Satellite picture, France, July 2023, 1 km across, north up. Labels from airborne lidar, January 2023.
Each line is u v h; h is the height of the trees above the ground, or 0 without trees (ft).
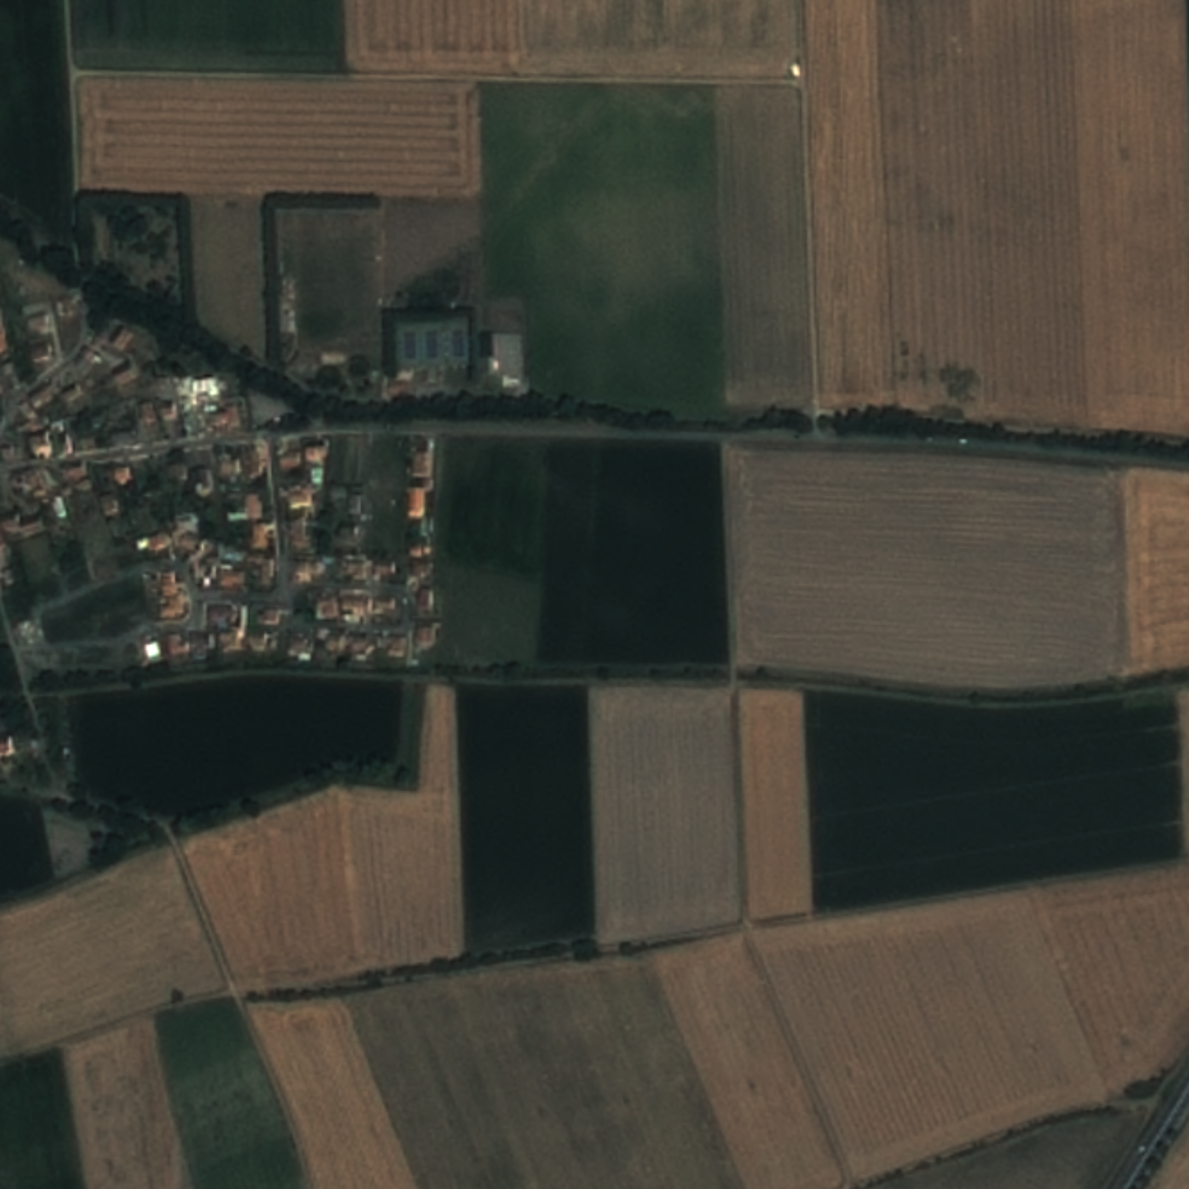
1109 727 0
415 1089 0
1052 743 0
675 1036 0
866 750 0
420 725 0
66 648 0
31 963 0
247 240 0
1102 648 0
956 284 0
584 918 0
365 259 0
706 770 0
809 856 0
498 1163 0
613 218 0
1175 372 0
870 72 0
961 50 0
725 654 0
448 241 0
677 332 0
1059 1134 0
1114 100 0
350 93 0
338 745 0
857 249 0
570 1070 0
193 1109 0
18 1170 0
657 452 0
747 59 0
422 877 0
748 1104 0
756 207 0
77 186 0
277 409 0
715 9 0
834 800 0
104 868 38
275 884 0
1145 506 0
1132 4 0
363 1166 0
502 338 0
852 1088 0
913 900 0
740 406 0
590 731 0
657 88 0
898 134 0
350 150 0
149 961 0
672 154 0
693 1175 0
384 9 0
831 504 0
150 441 0
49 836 0
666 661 0
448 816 0
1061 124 0
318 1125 0
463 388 0
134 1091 0
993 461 0
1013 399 0
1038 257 0
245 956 0
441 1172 0
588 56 0
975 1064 0
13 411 0
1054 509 0
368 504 0
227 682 0
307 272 0
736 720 0
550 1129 0
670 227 0
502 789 0
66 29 0
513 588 0
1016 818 0
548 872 0
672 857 0
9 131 0
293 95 0
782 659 0
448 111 0
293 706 0
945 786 0
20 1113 0
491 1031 0
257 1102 0
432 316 32
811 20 0
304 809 0
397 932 0
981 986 0
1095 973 0
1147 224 0
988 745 0
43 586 0
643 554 0
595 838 0
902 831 0
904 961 0
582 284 0
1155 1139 0
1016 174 0
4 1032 0
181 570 0
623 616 0
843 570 0
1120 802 0
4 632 0
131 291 24
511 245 0
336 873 0
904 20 0
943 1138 0
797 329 0
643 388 0
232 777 0
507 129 0
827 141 0
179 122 0
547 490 0
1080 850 0
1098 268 0
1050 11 0
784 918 0
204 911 0
